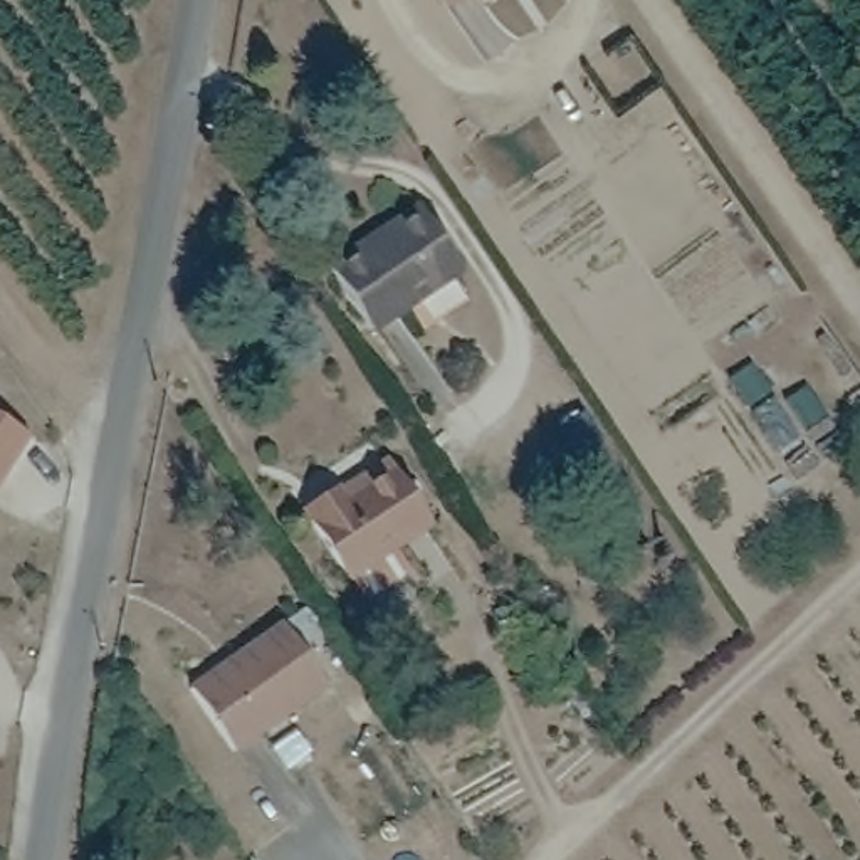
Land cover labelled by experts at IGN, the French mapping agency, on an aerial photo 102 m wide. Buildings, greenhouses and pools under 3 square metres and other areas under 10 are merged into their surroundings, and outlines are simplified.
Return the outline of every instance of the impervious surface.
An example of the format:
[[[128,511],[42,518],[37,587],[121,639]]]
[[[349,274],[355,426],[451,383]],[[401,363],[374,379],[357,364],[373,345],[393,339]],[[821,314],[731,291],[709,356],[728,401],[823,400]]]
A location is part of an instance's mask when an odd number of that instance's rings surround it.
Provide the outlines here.
[[[275,813],[286,816],[292,830],[289,836],[269,847],[272,860],[356,860],[346,850],[343,830],[326,810],[319,789],[299,766],[282,766],[275,746],[269,742],[269,736],[262,736],[252,749],[242,749],[249,773],[255,773],[259,779],[249,786],[249,803],[262,806],[269,820]]]
[[[457,339],[450,333],[447,312],[464,302],[464,286],[457,282],[447,282],[443,289],[417,302],[417,309],[403,312],[386,326],[373,326],[370,309],[359,316],[356,329],[386,359],[400,386],[406,393],[427,390],[433,396],[433,413],[427,417],[427,430],[433,437],[443,430],[443,413],[457,410],[467,393],[457,393],[437,366],[437,353],[447,349],[450,339]]]
[[[148,370],[155,370],[151,343],[158,333],[158,309],[175,299],[171,282],[178,275],[178,255],[185,242],[178,228],[171,228],[171,222],[185,181],[188,148],[198,138],[198,91],[212,77],[205,71],[205,27],[212,0],[178,0],[175,40],[161,87],[158,134],[151,148],[151,168],[138,218],[134,262],[121,323],[108,393],[91,474],[84,544],[64,625],[60,658],[54,672],[50,722],[37,766],[24,860],[54,860],[64,793],[67,786],[81,783],[84,763],[97,658],[91,655],[91,638],[101,632],[101,595],[114,581],[108,561],[121,511],[134,413],[141,400],[141,383],[148,380]]]
[[[450,564],[430,534],[417,538],[413,544],[403,544],[400,554],[386,554],[386,574],[370,574],[363,581],[366,588],[380,588],[390,578],[400,585],[403,598],[417,591],[417,585],[437,588],[447,578]]]

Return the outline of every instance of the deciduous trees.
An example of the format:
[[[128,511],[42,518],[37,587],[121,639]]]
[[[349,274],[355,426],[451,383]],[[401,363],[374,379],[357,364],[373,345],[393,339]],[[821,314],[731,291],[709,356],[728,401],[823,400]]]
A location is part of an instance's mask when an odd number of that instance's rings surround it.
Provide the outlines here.
[[[480,386],[487,373],[477,343],[457,339],[450,339],[447,349],[437,353],[437,366],[457,393],[467,393]]]
[[[860,494],[860,417],[853,417],[850,423],[850,450],[836,460],[847,487]]]
[[[517,833],[507,820],[497,833],[457,830],[460,850],[480,860],[524,860],[524,857]]]
[[[642,598],[625,595],[625,578],[635,578],[638,568],[652,564],[652,551],[638,548],[642,531],[638,501],[632,501],[618,487],[618,480],[608,480],[598,470],[598,454],[561,457],[558,450],[551,450],[548,460],[541,460],[538,467],[538,484],[521,497],[524,521],[534,527],[534,538],[551,551],[551,558],[558,564],[574,564],[578,574],[595,581],[595,605],[605,615],[605,625],[581,628],[571,621],[561,632],[554,628],[544,635],[541,615],[501,621],[501,628],[490,638],[504,658],[511,682],[521,689],[527,705],[554,705],[581,695],[591,709],[588,726],[598,736],[598,749],[635,759],[642,759],[652,746],[652,722],[642,716],[648,702],[638,699],[638,689],[658,672],[665,638],[672,635],[692,645],[709,628],[695,578],[685,558],[679,558],[672,564],[669,581],[648,585]]]
[[[178,403],[178,417],[188,437],[168,447],[171,524],[208,524],[208,554],[215,564],[225,568],[232,561],[259,558],[265,551],[262,534],[252,527],[252,511],[235,507],[228,494],[232,480],[245,477],[235,454],[225,447],[222,433],[202,410],[202,403]]]
[[[803,776],[800,789],[810,796],[810,806],[816,810],[816,816],[830,820],[833,833],[840,833],[847,826],[843,816],[826,803],[820,783]]]
[[[816,655],[816,669],[826,672],[833,692],[843,702],[850,702],[853,689],[840,679],[840,669],[830,662],[830,655]]]
[[[138,54],[138,30],[124,7],[141,7],[148,0],[81,0],[87,17],[111,40],[121,60],[131,60]]]
[[[722,521],[729,514],[729,497],[722,474],[705,470],[695,477],[692,507],[705,521]]]
[[[454,736],[457,726],[494,726],[501,712],[501,692],[490,675],[443,689],[433,679],[447,672],[447,655],[437,642],[420,628],[410,608],[400,618],[383,615],[373,621],[356,608],[343,608],[343,628],[356,642],[380,648],[390,638],[396,638],[403,645],[400,655],[386,655],[376,662],[373,689],[383,692],[396,712],[417,719],[417,739],[443,742]]]
[[[820,739],[820,746],[826,746],[833,766],[847,763],[840,742],[816,719],[816,709],[803,699],[796,685],[786,685],[789,705],[796,705],[806,729]]]
[[[30,561],[13,568],[13,578],[20,581],[27,598],[47,595],[54,588],[54,581]]]
[[[275,64],[272,40],[262,30],[252,30],[245,60],[255,67]]]
[[[759,534],[753,548],[739,554],[739,564],[753,581],[759,581],[763,588],[776,588],[810,581],[813,564],[843,561],[847,558],[840,511],[803,511],[783,527]]]
[[[94,262],[91,245],[64,222],[60,208],[30,178],[20,151],[0,134],[0,259],[17,272],[30,299],[47,309],[47,316],[60,326],[67,339],[81,339],[84,329],[84,316],[74,292],[94,286],[97,279],[108,279],[111,269]]]
[[[759,800],[759,806],[769,810],[773,793],[766,793],[742,749],[729,742],[726,759],[736,763],[739,776]]]
[[[222,403],[235,410],[245,423],[279,420],[292,406],[292,383],[309,380],[309,359],[323,363],[323,376],[339,376],[336,359],[326,359],[323,349],[309,343],[316,336],[309,306],[299,299],[309,292],[309,282],[329,279],[329,265],[343,269],[343,252],[349,232],[356,228],[346,195],[356,188],[356,181],[329,171],[329,155],[383,155],[396,138],[396,128],[406,121],[396,108],[396,97],[390,94],[390,84],[373,64],[356,84],[356,91],[329,94],[329,101],[319,108],[319,128],[309,138],[319,148],[319,158],[309,158],[296,171],[296,178],[269,168],[289,148],[289,118],[269,108],[265,87],[255,87],[252,94],[235,91],[215,101],[215,118],[208,121],[215,134],[208,141],[212,155],[222,165],[228,165],[239,181],[249,181],[252,188],[252,205],[245,205],[242,212],[235,208],[228,218],[215,218],[212,235],[245,245],[245,232],[259,228],[275,249],[272,265],[282,265],[292,275],[289,289],[272,292],[265,279],[269,265],[255,265],[249,259],[245,265],[232,269],[228,282],[218,272],[208,272],[202,279],[198,296],[191,299],[191,309],[181,312],[185,326],[191,329],[191,339],[218,363],[215,370]]]
[[[675,813],[672,803],[662,803],[662,813],[679,826],[679,836],[692,850],[692,860],[699,860],[705,857],[705,847],[699,843],[699,833],[689,826],[682,813]]]
[[[158,709],[141,695],[134,642],[128,635],[118,635],[111,652],[97,658],[84,763],[84,826],[91,833],[104,826],[114,836],[114,850],[97,853],[91,860],[239,860],[245,853],[242,836],[228,826],[222,810],[215,810],[208,783],[185,766],[175,729],[161,722]]]
[[[860,0],[675,0],[675,7],[685,13],[695,37],[712,50],[712,57],[719,60],[746,108],[769,131],[796,181],[810,191],[813,205],[823,208],[850,262],[860,269]]]
[[[13,128],[30,141],[37,161],[54,175],[71,205],[81,212],[81,218],[94,228],[104,225],[108,208],[94,181],[104,171],[111,171],[118,158],[114,138],[104,131],[104,121],[121,114],[124,94],[121,84],[111,77],[97,44],[77,30],[77,20],[64,7],[64,0],[0,0],[0,108],[13,121]]]

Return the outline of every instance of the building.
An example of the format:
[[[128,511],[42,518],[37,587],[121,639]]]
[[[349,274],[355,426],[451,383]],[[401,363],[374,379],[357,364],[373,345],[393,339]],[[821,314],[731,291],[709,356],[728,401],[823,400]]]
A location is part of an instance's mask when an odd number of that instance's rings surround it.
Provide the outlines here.
[[[262,736],[269,736],[286,722],[299,722],[302,709],[316,709],[323,705],[323,699],[333,699],[349,675],[343,658],[336,658],[326,648],[319,618],[309,608],[302,608],[195,682],[191,705],[208,719],[225,749],[242,749],[252,749]]]
[[[403,544],[413,544],[417,538],[430,534],[433,504],[440,501],[427,477],[413,480],[406,457],[396,450],[366,454],[349,470],[339,470],[336,487],[319,494],[302,511],[312,521],[312,538],[323,544],[323,551],[339,568],[346,568],[349,578],[363,581],[370,574],[386,574],[386,554],[400,554]]]
[[[24,437],[30,437],[27,427],[13,423],[0,410],[0,484],[20,454]]]
[[[370,309],[373,326],[386,326],[403,312],[417,309],[417,302],[443,289],[447,282],[457,282],[467,272],[467,262],[443,232],[433,202],[423,195],[413,215],[383,222],[376,232],[359,239],[356,255],[343,252],[343,269],[329,265],[329,279],[339,282],[339,306],[353,306],[359,316]]]
[[[312,749],[299,732],[286,736],[275,746],[282,766],[299,766],[309,759]]]

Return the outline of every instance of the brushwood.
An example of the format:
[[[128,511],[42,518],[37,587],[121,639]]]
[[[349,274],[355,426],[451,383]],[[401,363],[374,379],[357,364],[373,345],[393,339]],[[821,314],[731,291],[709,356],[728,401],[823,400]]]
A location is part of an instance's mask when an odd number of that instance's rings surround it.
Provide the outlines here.
[[[571,621],[568,588],[558,578],[544,578],[527,554],[514,554],[497,538],[497,531],[484,521],[480,507],[474,504],[464,474],[454,470],[447,454],[443,447],[437,447],[433,437],[427,430],[427,417],[433,413],[433,396],[427,390],[406,393],[400,386],[386,359],[356,329],[359,316],[353,306],[339,306],[339,282],[329,279],[309,282],[309,292],[299,299],[309,306],[319,306],[326,312],[326,319],[353,353],[356,366],[383,400],[376,420],[359,430],[363,440],[370,443],[380,433],[393,437],[396,430],[406,430],[427,477],[440,501],[480,548],[480,571],[494,591],[487,615],[501,621],[541,615],[544,635],[554,628],[561,632]]]
[[[669,97],[682,124],[692,131],[695,144],[705,151],[705,158],[726,181],[729,195],[742,205],[749,222],[759,228],[759,235],[769,242],[779,265],[800,289],[806,289],[806,275],[789,252],[793,242],[786,225],[779,222],[769,222],[769,215],[759,208],[759,202],[722,158],[702,118],[685,104],[682,91],[672,81],[665,81],[662,71],[658,57],[648,47],[648,40],[632,27],[615,30],[601,40],[608,54],[618,54],[625,47],[635,50],[648,77],[615,94],[608,81],[595,71],[595,64],[581,57],[578,60],[581,84],[595,91],[615,114],[625,114],[652,91],[662,91]]]
[[[642,716],[652,722],[675,709],[682,695],[675,685],[669,685],[662,695],[648,702]]]
[[[373,215],[393,208],[406,188],[386,175],[356,181],[356,188],[346,195],[356,228],[366,225]]]
[[[279,517],[279,511],[265,511],[265,504],[255,497],[245,477],[232,480],[228,494],[235,507],[252,511],[252,527],[262,534],[265,551],[279,561],[279,568],[289,578],[282,595],[299,601],[302,608],[309,608],[319,618],[326,648],[336,658],[343,658],[349,675],[359,682],[370,709],[383,719],[390,736],[417,739],[417,719],[396,712],[383,692],[373,689],[376,662],[386,655],[400,655],[403,645],[396,638],[390,638],[380,648],[356,642],[343,628],[343,608],[339,595],[329,595],[319,585],[319,578],[296,551],[296,517]]]
[[[433,148],[427,148],[420,151],[423,165],[440,181],[460,218],[470,225],[474,239],[497,265],[501,279],[521,302],[538,339],[551,349],[554,363],[574,386],[571,400],[585,406],[585,417],[598,430],[598,454],[598,470],[608,480],[618,480],[618,487],[632,501],[638,501],[642,531],[662,527],[665,544],[679,558],[685,558],[695,578],[709,578],[712,595],[732,618],[732,635],[722,638],[692,669],[685,669],[682,679],[695,689],[716,669],[729,665],[736,652],[753,648],[749,628],[742,608],[716,574],[716,568],[705,561],[679,514],[669,507],[665,494],[625,440],[625,433],[618,430],[618,423],[611,420],[611,413],[605,410],[605,403],[598,400],[595,386],[574,363],[574,356],[564,349],[544,312],[538,309],[534,296],[494,242],[494,235],[487,232],[487,225],[480,222],[480,215],[474,212],[474,205],[467,202],[467,195],[457,188],[443,161],[433,155]]]

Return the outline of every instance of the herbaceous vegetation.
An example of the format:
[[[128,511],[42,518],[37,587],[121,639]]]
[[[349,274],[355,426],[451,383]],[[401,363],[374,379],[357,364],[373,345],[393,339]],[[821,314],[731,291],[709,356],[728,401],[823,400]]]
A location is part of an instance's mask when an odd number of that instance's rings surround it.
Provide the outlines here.
[[[618,54],[608,54],[601,40],[591,40],[581,50],[581,57],[595,64],[595,71],[608,81],[615,94],[648,77],[635,50],[625,47]]]
[[[383,719],[370,709],[359,682],[349,675],[333,699],[323,699],[323,705],[316,709],[302,709],[299,722],[286,722],[269,736],[269,742],[275,746],[286,736],[299,732],[312,749],[309,759],[299,766],[319,789],[326,810],[343,830],[346,850],[356,860],[480,860],[460,850],[457,830],[497,833],[507,820],[517,833],[524,857],[544,836],[541,820],[551,813],[554,796],[561,796],[564,803],[598,800],[635,766],[635,759],[598,749],[598,736],[588,726],[591,709],[581,695],[554,705],[527,705],[521,689],[511,682],[504,658],[490,665],[490,675],[501,692],[501,712],[494,726],[457,726],[454,736],[443,742],[417,739],[390,736]],[[487,763],[480,773],[457,773],[460,756],[501,746],[511,749],[511,759]]]
[[[685,669],[692,669],[722,638],[732,635],[732,618],[712,595],[709,578],[695,578],[709,628],[692,645],[672,635],[665,638],[658,672],[638,689],[638,699],[648,702],[662,695],[669,685],[675,685],[682,695],[675,709],[652,722],[652,746],[679,726],[682,716],[702,705],[702,699],[732,672],[729,665],[716,669],[695,689],[682,679]]]
[[[830,282],[820,275],[820,269],[810,262],[810,255],[793,242],[789,252],[806,275],[806,289],[800,289],[796,299],[759,302],[729,329],[716,333],[716,339],[709,343],[716,363],[705,373],[699,373],[689,386],[669,393],[658,406],[648,410],[662,423],[662,430],[672,430],[685,423],[695,410],[712,403],[722,413],[722,437],[736,460],[746,470],[769,470],[769,511],[746,527],[746,534],[736,544],[739,554],[753,548],[759,534],[783,527],[803,511],[840,511],[847,558],[860,558],[860,494],[847,487],[836,460],[850,450],[850,423],[853,417],[860,417],[860,329],[840,306]]]
[[[114,850],[114,836],[104,826],[91,833],[84,826],[84,763],[81,783],[67,786],[64,793],[54,860],[91,860],[97,853]]]
[[[7,850],[13,843],[24,722],[10,722],[7,749],[0,756],[0,860],[7,860]]]
[[[423,34],[464,67],[480,67],[484,60],[497,57],[517,34],[544,27],[548,17],[534,0],[406,0]]]
[[[833,692],[826,672],[816,669],[816,655],[830,655],[830,662],[840,669],[840,679],[853,689],[850,702],[843,702]],[[796,705],[789,705],[786,685],[796,685],[803,699],[816,709],[816,719],[840,742],[847,763],[833,766],[826,746],[820,746],[820,739],[806,729]],[[736,763],[726,759],[729,742],[742,749],[766,793],[773,793],[769,810],[759,806],[759,800],[739,776]],[[800,789],[803,776],[820,783],[826,803],[843,816],[847,826],[840,833],[833,833],[830,820],[816,816],[816,810],[810,806],[810,796]],[[679,826],[662,813],[662,803],[672,803],[675,813],[682,813],[689,826],[699,833],[699,843],[705,847],[705,857],[699,860],[860,860],[860,595],[847,601],[826,625],[820,625],[806,648],[800,648],[776,672],[769,672],[742,702],[736,702],[648,789],[642,789],[625,810],[618,810],[568,860],[692,860],[692,850],[679,836]]]
[[[601,0],[601,17],[615,30],[632,27],[648,40],[648,47],[658,57],[662,47],[652,37],[635,0]]]
[[[413,215],[423,195],[406,188],[393,208],[373,215],[366,225],[356,228],[349,232],[343,252],[356,255],[359,239],[376,232],[383,222]]]
[[[275,64],[255,67],[245,60],[252,30],[262,30],[272,40]],[[427,477],[406,430],[396,430],[393,437],[380,433],[370,443],[363,440],[359,430],[376,420],[383,400],[356,366],[353,353],[326,319],[326,312],[319,306],[309,306],[316,336],[309,343],[323,349],[326,359],[336,359],[339,376],[323,376],[323,363],[309,359],[309,380],[292,383],[292,406],[279,420],[245,423],[235,410],[222,403],[215,370],[218,363],[191,339],[191,329],[185,326],[181,312],[191,309],[191,299],[198,296],[202,279],[208,272],[218,272],[228,282],[232,269],[245,265],[249,259],[255,265],[269,265],[265,279],[272,292],[289,289],[292,275],[282,265],[272,265],[275,249],[259,228],[245,232],[245,245],[212,235],[215,218],[228,218],[235,208],[242,212],[245,205],[252,205],[252,188],[249,181],[239,181],[228,165],[222,165],[212,155],[208,141],[215,134],[208,121],[215,118],[215,101],[235,91],[252,94],[255,87],[265,87],[269,108],[289,118],[289,148],[269,168],[296,178],[296,171],[309,158],[319,158],[319,148],[309,138],[319,128],[319,108],[329,101],[329,94],[356,91],[356,84],[373,64],[363,40],[343,30],[329,0],[212,0],[205,27],[205,71],[212,77],[198,91],[198,138],[188,148],[185,181],[171,222],[171,228],[178,228],[185,242],[178,255],[178,275],[171,282],[175,299],[158,309],[158,333],[151,343],[155,370],[148,370],[148,380],[141,383],[141,400],[134,413],[121,511],[108,561],[114,581],[101,595],[101,632],[91,638],[91,655],[97,658],[111,652],[118,635],[128,635],[134,642],[141,695],[158,709],[161,722],[175,729],[185,766],[208,783],[215,810],[222,810],[228,826],[242,836],[245,853],[239,860],[272,860],[269,847],[289,836],[292,830],[286,816],[275,813],[269,820],[262,806],[249,803],[249,786],[259,779],[255,773],[249,773],[242,749],[225,749],[208,719],[191,705],[195,682],[302,608],[299,601],[282,595],[289,578],[279,568],[279,561],[265,551],[259,558],[232,561],[225,568],[215,564],[208,554],[208,524],[171,524],[168,447],[188,437],[178,417],[178,403],[202,403],[202,410],[222,433],[225,447],[235,454],[245,477],[255,497],[265,504],[265,511],[279,511],[279,517],[296,517],[296,551],[319,578],[319,585],[329,595],[339,595],[343,608],[356,608],[373,621],[383,615],[400,618],[410,608],[420,628],[437,642],[457,628],[457,611],[450,595],[437,588],[417,585],[417,591],[403,598],[400,585],[390,578],[380,588],[366,588],[363,581],[349,578],[346,568],[339,568],[323,551],[323,544],[312,538],[312,521],[302,511],[286,484],[265,477],[272,464],[292,470],[302,480],[306,470],[316,464],[333,470],[343,454],[356,447],[363,447],[366,454],[396,450],[406,457],[413,480]]]
[[[151,148],[158,134],[161,87],[175,40],[178,0],[148,0],[141,7],[124,7],[138,30],[138,54],[131,60],[121,60],[111,40],[87,17],[81,0],[64,0],[64,7],[77,20],[77,30],[97,44],[111,77],[121,84],[124,94],[121,114],[104,121],[104,131],[114,138],[118,158],[111,171],[104,171],[94,181],[108,208],[104,225],[94,228],[81,218],[81,212],[71,205],[54,175],[37,161],[30,141],[13,128],[13,121],[0,108],[0,134],[20,151],[30,178],[60,208],[64,222],[91,245],[94,262],[111,269],[108,279],[97,279],[94,286],[74,292],[84,316],[84,329],[97,333],[104,316],[114,316],[121,323],[134,262],[138,218],[151,168]]]
[[[662,71],[665,81],[672,81],[682,91],[685,104],[702,118],[722,158],[759,202],[759,208],[769,215],[769,222],[779,222],[773,205],[749,178],[746,165],[739,161],[739,155],[726,144],[719,128],[705,118],[699,97],[679,77],[679,71],[669,64]]]
[[[427,148],[406,121],[396,128],[396,138],[383,155],[423,165],[420,151]]]
[[[521,497],[538,484],[538,467],[541,460],[548,460],[551,450],[558,450],[561,457],[598,454],[598,430],[585,417],[585,406],[571,400],[574,386],[554,363],[551,349],[538,339],[531,349],[524,390],[514,400],[511,413],[484,437],[477,437],[474,450],[454,447],[447,454],[454,470],[464,474],[474,504],[480,507],[484,521],[497,531],[497,538],[514,554],[527,554],[544,578],[558,578],[568,588],[571,621],[581,628],[605,625],[605,615],[595,605],[595,581],[578,574],[574,564],[558,564],[551,558],[551,551],[534,538],[534,527],[524,521]]]
[[[464,302],[447,312],[450,333],[457,339],[477,343],[487,373],[501,363],[504,329],[487,289],[477,275],[467,272],[457,282],[464,286]]]
[[[773,605],[749,628],[753,648],[773,642],[810,605],[816,591],[836,581],[836,574],[847,568],[843,561],[813,564],[810,581],[776,588],[783,601]]]
[[[13,578],[13,568],[30,561],[54,581],[60,574],[71,511],[57,507],[34,524],[0,507],[0,648],[17,685],[34,685],[47,638],[54,588],[47,595],[27,598],[20,581]]]
[[[638,568],[635,578],[625,578],[625,595],[642,598],[648,585],[669,581],[672,564],[679,558],[665,544],[662,527],[642,531],[638,548],[652,551],[652,564]]]

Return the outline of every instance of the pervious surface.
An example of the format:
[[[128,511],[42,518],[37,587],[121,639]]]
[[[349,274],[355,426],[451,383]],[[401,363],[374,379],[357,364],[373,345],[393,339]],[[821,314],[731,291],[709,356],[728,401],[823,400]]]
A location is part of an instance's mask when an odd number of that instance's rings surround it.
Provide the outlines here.
[[[302,511],[319,494],[336,487],[339,470],[349,470],[366,454],[363,447],[356,447],[343,454],[333,470],[316,464],[306,470],[302,480],[292,470],[272,464],[265,477],[286,484]]]
[[[695,37],[685,13],[675,7],[675,0],[635,0],[652,37],[662,47],[658,57],[662,71],[669,64],[679,71],[679,77],[699,97],[705,118],[719,128],[726,144],[739,155],[739,161],[746,165],[749,178],[773,205],[779,222],[786,225],[793,242],[810,255],[810,262],[820,269],[820,275],[830,282],[840,306],[860,329],[860,269],[850,262],[823,208],[813,205],[810,191],[796,181],[769,131],[746,108],[719,60],[712,57],[712,50]]]
[[[417,54],[417,60],[427,64],[447,87],[464,94],[531,94],[534,101],[541,101],[541,91],[551,87],[578,60],[581,57],[581,50],[591,40],[601,40],[615,30],[601,17],[601,0],[534,0],[548,17],[544,27],[517,34],[497,57],[484,60],[480,67],[464,67],[423,34],[406,0],[376,0],[386,20],[393,24],[396,37]]]
[[[34,524],[57,507],[71,511],[60,574],[54,581],[54,588],[47,638],[34,685],[17,685],[0,648],[0,756],[7,749],[10,722],[24,722],[13,843],[7,850],[7,860],[24,860],[37,766],[50,722],[54,672],[60,658],[64,625],[84,544],[91,474],[108,393],[94,390],[77,427],[60,433],[60,440],[50,443],[44,437],[30,437],[24,437],[20,454],[0,484],[0,507]]]
[[[860,595],[860,558],[847,558],[843,561],[847,568],[836,574],[836,581],[816,591],[810,605],[773,642],[753,648],[736,652],[729,665],[732,672],[702,699],[702,705],[682,716],[679,726],[652,746],[642,759],[635,759],[635,766],[598,800],[564,803],[561,796],[554,796],[551,813],[541,820],[544,836],[524,857],[524,860],[568,860],[618,810],[625,810],[642,789],[648,789],[736,702],[742,702],[769,672],[776,672],[800,648],[806,648],[820,625],[826,625],[847,601]]]
[[[447,578],[437,588],[450,595],[457,611],[457,628],[437,642],[447,655],[447,672],[433,679],[443,689],[490,675],[490,665],[504,658],[490,638],[501,628],[501,621],[487,615],[494,591],[480,571],[480,548],[440,501],[433,504],[430,534],[450,564]]]
[[[423,195],[433,202],[443,232],[467,262],[467,272],[477,275],[487,289],[504,329],[501,363],[487,373],[480,386],[467,393],[457,410],[443,413],[443,430],[433,437],[437,447],[443,447],[447,454],[454,447],[474,450],[477,437],[484,437],[511,413],[514,400],[524,390],[531,349],[538,339],[521,302],[501,279],[497,265],[474,239],[470,225],[460,218],[440,181],[423,165],[383,155],[329,155],[329,171],[356,181],[386,175],[406,188]]]

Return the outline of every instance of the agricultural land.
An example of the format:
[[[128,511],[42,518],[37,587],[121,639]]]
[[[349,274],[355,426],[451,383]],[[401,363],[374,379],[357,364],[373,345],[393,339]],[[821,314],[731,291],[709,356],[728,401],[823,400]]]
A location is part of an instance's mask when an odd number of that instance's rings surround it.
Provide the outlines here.
[[[625,433],[625,440],[665,494],[669,507],[679,514],[705,561],[716,568],[716,574],[742,608],[749,628],[773,605],[783,601],[776,588],[763,588],[759,581],[753,581],[739,564],[739,554],[736,544],[746,534],[746,527],[769,511],[769,470],[746,470],[736,460],[722,437],[722,413],[712,403],[695,410],[685,423],[672,430],[662,430],[662,423],[648,410],[658,406],[669,393],[689,386],[699,373],[705,373],[716,363],[709,343],[716,339],[716,333],[729,329],[759,302],[796,299],[800,289],[779,265],[769,242],[759,235],[759,228],[749,222],[742,205],[729,195],[726,181],[705,158],[705,151],[695,144],[692,131],[682,124],[669,97],[662,91],[652,91],[625,114],[615,114],[595,91],[581,84],[578,60],[551,87],[541,91],[541,101],[534,101],[531,94],[464,94],[447,87],[427,64],[417,60],[417,54],[396,37],[393,24],[386,20],[376,0],[329,0],[343,30],[363,40],[373,64],[390,84],[390,94],[396,97],[396,108],[406,121],[427,148],[433,148],[433,155],[443,161],[457,188],[467,195],[467,202],[474,205],[474,212],[480,215],[480,222],[487,225],[487,232],[494,235],[494,242],[534,296],[538,309],[544,312],[564,349],[574,356],[574,363],[595,386],[598,400],[605,403],[605,410],[611,413],[611,420],[618,423],[618,430]],[[705,470],[722,474],[729,497],[729,514],[722,521],[705,521],[692,507],[695,477]]]
[[[511,759],[511,749],[501,746],[460,756],[457,773],[480,773],[487,763]]]
[[[77,427],[94,390],[108,393],[121,323],[114,316],[104,316],[97,333],[84,329],[81,339],[67,339],[60,326],[47,316],[47,309],[30,299],[17,272],[0,259],[0,410],[13,423],[27,427],[30,437],[44,437],[50,443],[60,440],[60,433]]]

